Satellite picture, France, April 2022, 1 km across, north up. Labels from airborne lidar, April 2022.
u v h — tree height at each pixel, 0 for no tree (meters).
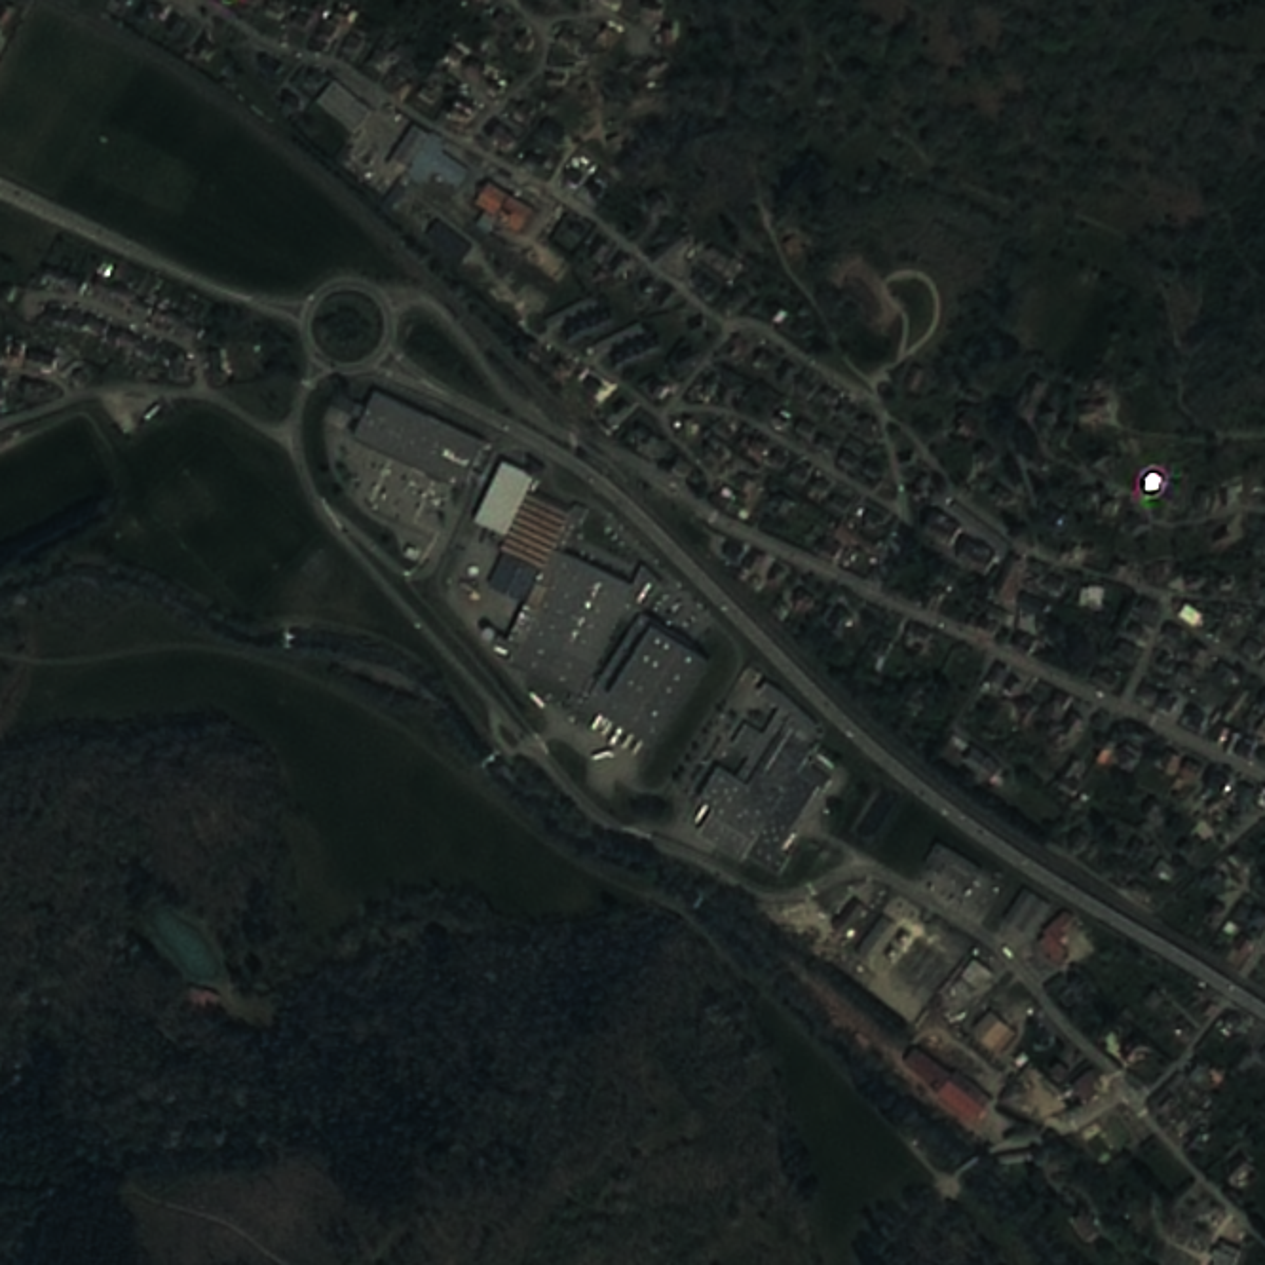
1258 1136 9
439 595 0
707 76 21
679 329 0
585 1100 12
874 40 17
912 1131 10
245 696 0
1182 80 15
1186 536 10
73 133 0
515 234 0
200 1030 16
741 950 20
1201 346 16
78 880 14
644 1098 14
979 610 11
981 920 0
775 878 0
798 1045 0
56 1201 22
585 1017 7
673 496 0
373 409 0
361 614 0
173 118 0
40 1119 21
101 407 0
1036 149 8
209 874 16
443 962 25
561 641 0
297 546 0
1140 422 0
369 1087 17
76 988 20
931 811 0
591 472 0
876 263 0
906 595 7
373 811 0
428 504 0
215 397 0
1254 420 18
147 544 0
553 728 0
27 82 0
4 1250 7
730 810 0
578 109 0
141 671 0
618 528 0
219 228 0
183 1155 11
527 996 13
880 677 12
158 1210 0
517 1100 13
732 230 18
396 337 0
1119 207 0
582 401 0
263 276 0
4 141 0
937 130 14
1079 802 10
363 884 0
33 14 0
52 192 0
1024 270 18
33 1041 6
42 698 0
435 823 0
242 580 0
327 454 0
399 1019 11
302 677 0
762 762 0
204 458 0
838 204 20
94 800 13
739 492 6
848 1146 0
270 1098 13
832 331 11
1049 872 0
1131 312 12
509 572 0
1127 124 11
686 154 13
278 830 15
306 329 0
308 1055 19
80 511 0
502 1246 16
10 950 12
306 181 0
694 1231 8
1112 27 9
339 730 0
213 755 14
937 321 0
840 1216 0
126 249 0
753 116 17
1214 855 0
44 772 16
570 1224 15
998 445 20
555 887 0
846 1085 0
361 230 0
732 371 14
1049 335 0
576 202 0
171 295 0
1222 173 9
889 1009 16
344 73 0
